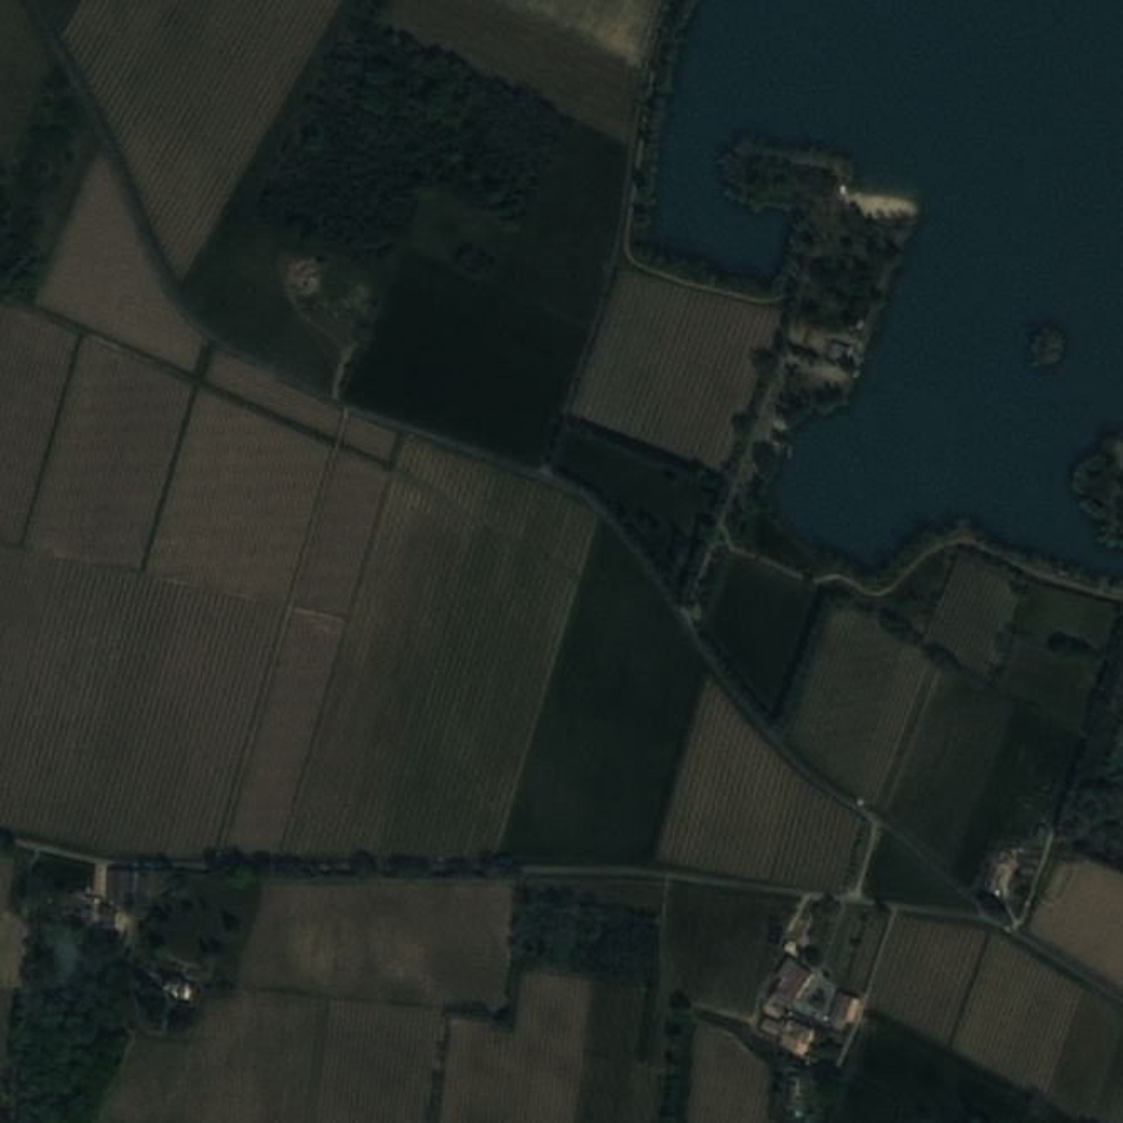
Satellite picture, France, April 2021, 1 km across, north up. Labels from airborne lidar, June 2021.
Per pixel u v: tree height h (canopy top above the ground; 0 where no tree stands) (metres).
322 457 0
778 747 0
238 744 0
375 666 0
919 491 0
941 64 0
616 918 11
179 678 0
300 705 0
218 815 0
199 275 0
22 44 0
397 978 0
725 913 0
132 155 0
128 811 0
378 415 0
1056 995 0
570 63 0
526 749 0
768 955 0
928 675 0
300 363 0
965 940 0
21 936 0
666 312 0
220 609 0
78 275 0
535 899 16
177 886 17
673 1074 10
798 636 0
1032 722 0
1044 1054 0
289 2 0
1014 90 0
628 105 0
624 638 0
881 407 0
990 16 0
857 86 0
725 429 0
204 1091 0
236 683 0
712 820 0
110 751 0
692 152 0
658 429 0
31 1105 22
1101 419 0
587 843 0
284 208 10
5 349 0
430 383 0
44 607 0
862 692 0
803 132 0
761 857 0
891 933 0
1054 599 0
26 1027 20
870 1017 0
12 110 0
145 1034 0
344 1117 0
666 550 0
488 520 0
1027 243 0
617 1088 0
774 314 0
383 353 0
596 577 0
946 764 0
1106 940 0
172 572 0
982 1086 0
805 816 0
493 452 0
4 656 0
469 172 15
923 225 0
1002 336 0
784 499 0
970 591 0
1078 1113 0
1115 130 0
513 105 19
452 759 0
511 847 0
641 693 0
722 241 0
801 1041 0
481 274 16
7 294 10
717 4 0
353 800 0
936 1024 0
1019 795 0
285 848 0
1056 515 0
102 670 0
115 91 0
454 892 0
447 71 16
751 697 17
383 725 0
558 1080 0
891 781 0
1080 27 0
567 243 0
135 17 0
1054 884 0
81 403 0
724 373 0
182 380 0
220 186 0
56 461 0
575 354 0
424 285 0
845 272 15
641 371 0
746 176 10
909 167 0
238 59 0
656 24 0
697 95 0
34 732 0
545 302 0
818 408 10
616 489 0
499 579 0
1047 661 0
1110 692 16
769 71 0
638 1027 0
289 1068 0
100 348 0
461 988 0
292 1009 0
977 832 0
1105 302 0
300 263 0
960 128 0
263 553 0
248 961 0
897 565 12
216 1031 0
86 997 26
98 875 0
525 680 0
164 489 0
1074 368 0
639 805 0
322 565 0
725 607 0
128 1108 0
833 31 0
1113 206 0
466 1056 0
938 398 0
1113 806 18
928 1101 0
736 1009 0
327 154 10
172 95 0
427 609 0
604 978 13
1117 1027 0
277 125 0
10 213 0
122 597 0
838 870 0
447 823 0
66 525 0
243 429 0
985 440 0
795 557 0
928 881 0
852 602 18
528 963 0
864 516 0
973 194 0
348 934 0
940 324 0
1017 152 0
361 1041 0
